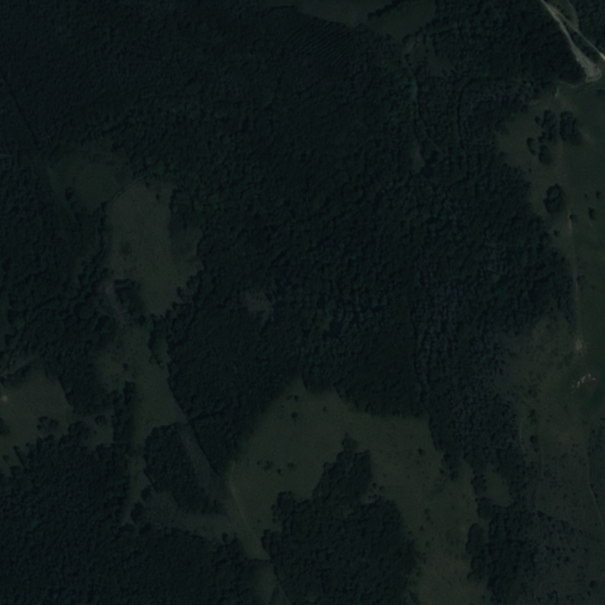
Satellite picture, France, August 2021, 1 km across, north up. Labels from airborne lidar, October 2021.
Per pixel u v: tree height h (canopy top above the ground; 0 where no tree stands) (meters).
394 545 19
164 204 0
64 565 28
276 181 26
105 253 8
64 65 14
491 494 0
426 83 9
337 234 18
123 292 21
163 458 26
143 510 22
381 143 23
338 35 14
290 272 19
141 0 15
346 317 27
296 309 30
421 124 9
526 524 6
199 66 14
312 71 20
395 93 15
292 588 9
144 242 0
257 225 29
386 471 0
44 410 0
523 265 23
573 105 0
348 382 15
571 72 19
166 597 21
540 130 0
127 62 26
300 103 29
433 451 0
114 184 0
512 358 7
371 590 6
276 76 14
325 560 8
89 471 26
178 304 10
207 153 24
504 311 9
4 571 33
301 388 0
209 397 10
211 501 19
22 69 18
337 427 0
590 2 6
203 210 17
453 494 0
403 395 20
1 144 8
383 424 0
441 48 13
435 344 25
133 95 22
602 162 0
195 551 23
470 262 25
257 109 19
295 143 27
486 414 13
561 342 0
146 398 0
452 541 0
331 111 26
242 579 14
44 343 17
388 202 19
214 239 20
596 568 0
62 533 27
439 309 13
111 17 24
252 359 21
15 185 13
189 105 20
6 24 12
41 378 0
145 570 23
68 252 26
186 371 23
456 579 0
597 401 0
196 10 19
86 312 19
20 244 29
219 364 22
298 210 28
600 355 0
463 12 22
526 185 8
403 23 0
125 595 19
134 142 23
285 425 0
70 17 20
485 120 14
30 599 31
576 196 0
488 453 14
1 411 0
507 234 13
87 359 13
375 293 29
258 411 19
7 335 0
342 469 5
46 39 17
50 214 19
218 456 23
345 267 24
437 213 12
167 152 25
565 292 8
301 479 0
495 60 30
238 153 30
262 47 22
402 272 26
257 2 11
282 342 25
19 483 22
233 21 16
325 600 6
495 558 21
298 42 11
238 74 20
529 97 9
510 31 22
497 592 14
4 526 29
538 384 0
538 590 0
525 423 0
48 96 20
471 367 7
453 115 10
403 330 22
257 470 0
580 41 11
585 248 0
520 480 9
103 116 19
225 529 0
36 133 12
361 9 0
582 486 0
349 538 8
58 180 0
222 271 19
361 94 23
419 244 19
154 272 0
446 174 26
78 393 18
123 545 25
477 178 14
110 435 0
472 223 22
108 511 22
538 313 8
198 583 22
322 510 7
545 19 18
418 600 5
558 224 0
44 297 11
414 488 0
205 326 21
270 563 6
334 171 24
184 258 0
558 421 0
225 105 26
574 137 14
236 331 25
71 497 24
